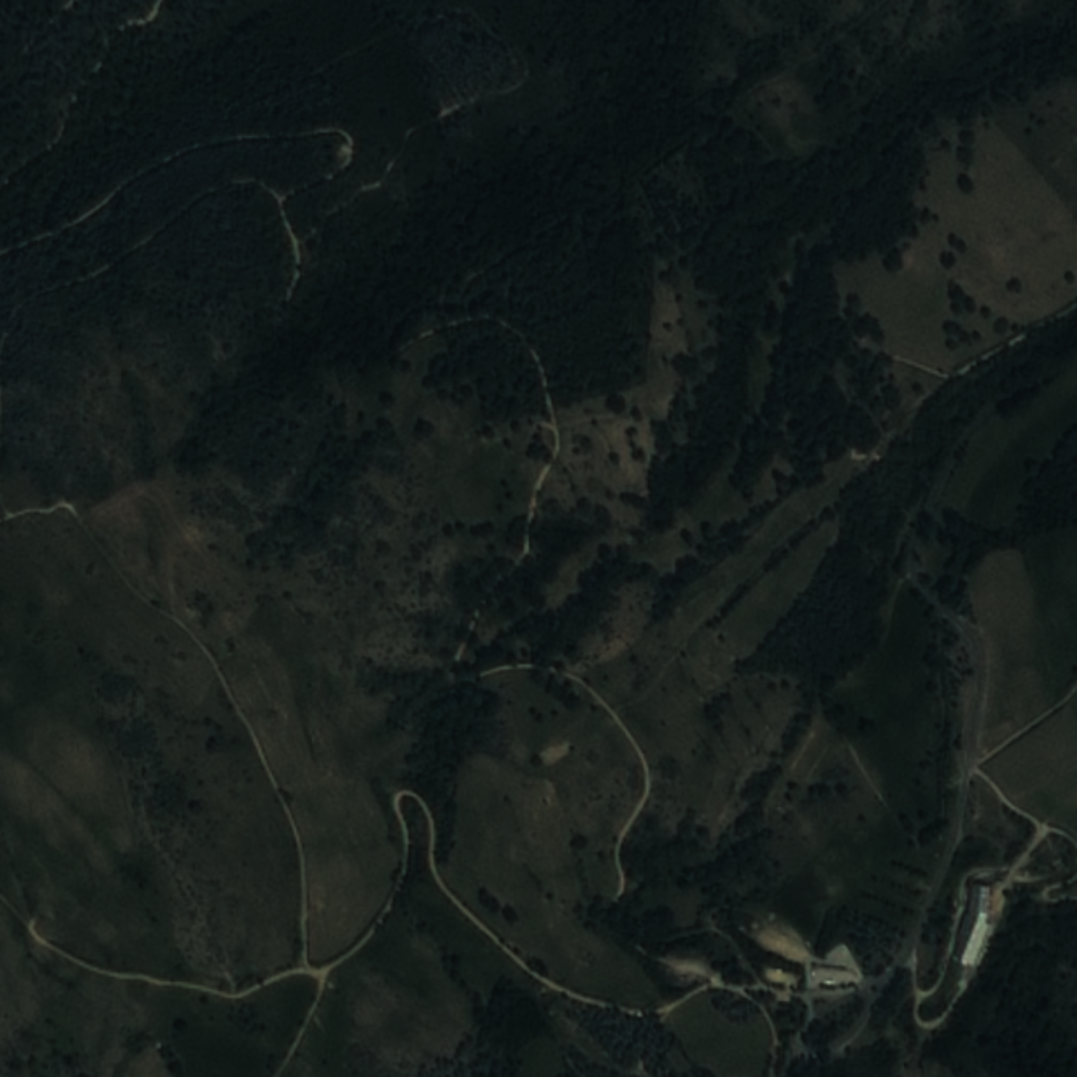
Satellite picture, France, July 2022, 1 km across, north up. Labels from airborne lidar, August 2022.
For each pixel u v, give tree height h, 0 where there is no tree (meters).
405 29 18
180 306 7
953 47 9
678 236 9
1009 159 0
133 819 0
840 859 0
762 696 0
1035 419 0
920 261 0
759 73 11
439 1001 0
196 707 0
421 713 6
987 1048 14
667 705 0
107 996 0
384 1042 0
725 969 12
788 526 0
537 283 6
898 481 8
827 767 0
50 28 10
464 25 15
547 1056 0
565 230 13
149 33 8
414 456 0
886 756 0
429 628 8
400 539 0
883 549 15
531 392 12
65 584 0
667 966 0
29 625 0
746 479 18
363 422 10
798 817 0
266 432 7
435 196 14
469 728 11
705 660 0
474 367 15
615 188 10
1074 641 0
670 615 11
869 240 18
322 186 9
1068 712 0
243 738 0
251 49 12
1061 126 0
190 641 0
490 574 13
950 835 0
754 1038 0
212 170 7
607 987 0
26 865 0
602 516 13
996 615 0
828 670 6
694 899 0
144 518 0
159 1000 0
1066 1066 20
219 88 9
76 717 0
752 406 17
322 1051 0
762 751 0
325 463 13
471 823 0
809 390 12
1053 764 0
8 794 0
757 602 0
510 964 0
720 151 14
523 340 11
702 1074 11
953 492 0
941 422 14
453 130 13
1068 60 10
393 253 20
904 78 7
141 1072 0
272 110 6
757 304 17
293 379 12
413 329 16
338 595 0
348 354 17
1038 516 11
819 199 21
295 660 0
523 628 17
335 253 7
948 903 8
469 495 0
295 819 0
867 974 8
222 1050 0
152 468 5
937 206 0
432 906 0
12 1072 9
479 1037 5
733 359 18
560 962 0
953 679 7
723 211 17
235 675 0
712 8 10
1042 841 0
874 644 18
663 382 0
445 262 12
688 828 12
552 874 0
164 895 0
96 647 0
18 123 9
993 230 0
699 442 10
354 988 0
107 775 0
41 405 0
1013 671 0
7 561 0
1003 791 0
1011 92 10
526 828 0
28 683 0
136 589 0
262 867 0
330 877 0
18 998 0
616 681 0
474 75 19
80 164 19
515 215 20
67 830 0
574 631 11
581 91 9
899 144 16
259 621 0
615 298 10
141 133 10
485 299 11
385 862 0
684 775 0
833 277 13
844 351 11
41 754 0
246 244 6
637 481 0
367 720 0
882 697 0
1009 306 0
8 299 6
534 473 0
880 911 0
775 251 19
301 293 13
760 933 0
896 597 0
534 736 0
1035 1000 8
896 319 0
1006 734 0
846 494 9
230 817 0
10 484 0
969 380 8
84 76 14
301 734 0
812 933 0
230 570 0
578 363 12
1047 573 0
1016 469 0
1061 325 9
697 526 0
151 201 7
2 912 0
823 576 6
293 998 0
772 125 0
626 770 0
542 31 7
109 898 0
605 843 0
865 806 0
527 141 9
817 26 6
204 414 14
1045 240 0
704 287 13
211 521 0
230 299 13
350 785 0
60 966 0
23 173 13
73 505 0
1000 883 0
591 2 11
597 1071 6
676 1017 0
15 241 11
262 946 0
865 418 11
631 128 19
